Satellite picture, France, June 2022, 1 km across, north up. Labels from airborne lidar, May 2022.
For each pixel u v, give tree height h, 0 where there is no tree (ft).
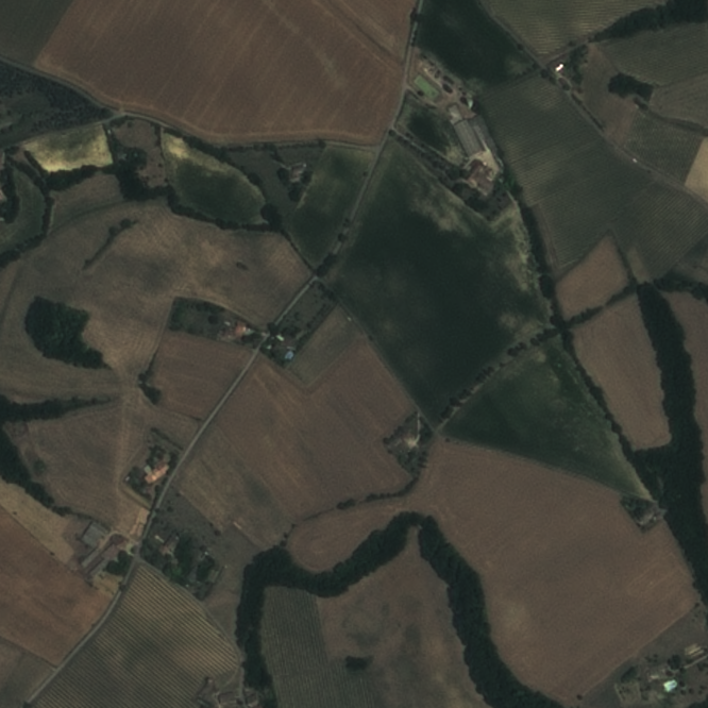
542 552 0
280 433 0
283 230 22
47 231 28
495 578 0
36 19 0
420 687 0
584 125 0
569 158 0
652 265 0
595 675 0
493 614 0
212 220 27
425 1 0
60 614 0
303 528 0
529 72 28
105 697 0
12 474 31
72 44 0
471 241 0
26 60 0
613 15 0
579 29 0
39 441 0
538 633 0
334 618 0
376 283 0
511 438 0
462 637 45
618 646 0
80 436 0
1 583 0
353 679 0
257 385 0
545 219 0
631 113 0
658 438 0
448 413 40
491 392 0
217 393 0
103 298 0
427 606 0
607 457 0
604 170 0
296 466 0
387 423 0
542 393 0
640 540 0
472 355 0
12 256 57
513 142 0
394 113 0
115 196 0
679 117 0
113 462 0
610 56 0
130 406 0
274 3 0
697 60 0
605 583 0
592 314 29
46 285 0
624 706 0
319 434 0
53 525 0
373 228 0
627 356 0
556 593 0
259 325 0
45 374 0
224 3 0
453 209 0
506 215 0
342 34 0
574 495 0
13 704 0
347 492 0
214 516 0
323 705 0
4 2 0
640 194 0
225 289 0
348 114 0
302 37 0
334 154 0
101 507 0
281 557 53
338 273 0
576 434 0
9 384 0
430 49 0
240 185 0
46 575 0
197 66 0
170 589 0
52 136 0
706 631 0
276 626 0
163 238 0
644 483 38
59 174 41
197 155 0
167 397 0
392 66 0
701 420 0
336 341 0
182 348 0
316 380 0
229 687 0
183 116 0
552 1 0
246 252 0
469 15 0
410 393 0
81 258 0
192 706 0
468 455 0
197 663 0
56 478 0
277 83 0
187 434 0
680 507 56
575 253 0
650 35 0
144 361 0
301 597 0
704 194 0
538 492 0
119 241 0
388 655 0
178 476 0
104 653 0
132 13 0
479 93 0
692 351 0
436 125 0
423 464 42
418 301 0
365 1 0
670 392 42
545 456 0
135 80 0
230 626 0
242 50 0
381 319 0
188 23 0
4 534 0
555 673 0
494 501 0
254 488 0
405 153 0
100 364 58
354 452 0
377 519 0
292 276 0
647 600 0
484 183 0
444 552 57
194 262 0
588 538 0
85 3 0
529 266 0
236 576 0
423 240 0
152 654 0
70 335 41
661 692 0
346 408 0
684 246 0
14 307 0
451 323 0
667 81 0
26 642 0
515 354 51
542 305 0
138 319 0
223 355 0
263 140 0
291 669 0
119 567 45
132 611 0
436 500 0
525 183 0
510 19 0
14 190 23
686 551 37
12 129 25
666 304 54
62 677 0
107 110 24
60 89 27
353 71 0
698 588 43
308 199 0
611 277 0
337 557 0
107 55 0
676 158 0
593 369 0
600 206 0
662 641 0
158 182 0
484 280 0
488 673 74
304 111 0
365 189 0
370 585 0
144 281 0
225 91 0
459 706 0
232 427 0
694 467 65
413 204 0
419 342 0
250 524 0
